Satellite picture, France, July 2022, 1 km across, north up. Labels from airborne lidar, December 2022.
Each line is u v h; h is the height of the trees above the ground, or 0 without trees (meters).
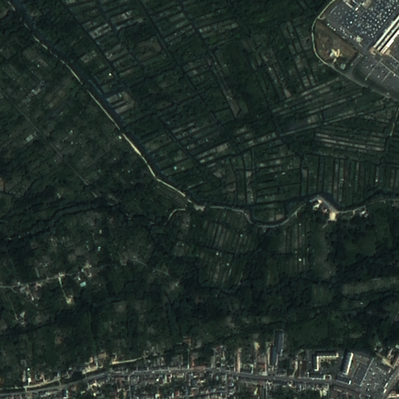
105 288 7
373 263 25
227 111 0
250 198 0
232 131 9
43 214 0
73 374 9
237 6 11
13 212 14
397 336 17
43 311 6
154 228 21
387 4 0
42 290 10
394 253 23
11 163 14
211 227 0
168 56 7
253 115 8
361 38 0
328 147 0
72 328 13
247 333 8
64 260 6
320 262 0
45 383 0
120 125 0
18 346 23
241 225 0
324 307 9
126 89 0
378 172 0
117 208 15
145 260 7
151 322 5
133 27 16
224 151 0
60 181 13
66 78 0
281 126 7
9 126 12
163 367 0
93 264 8
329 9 0
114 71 10
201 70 7
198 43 0
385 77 0
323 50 0
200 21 0
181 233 10
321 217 20
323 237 0
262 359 0
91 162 0
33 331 15
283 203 5
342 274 21
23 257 18
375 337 19
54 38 6
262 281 19
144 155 9
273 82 8
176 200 0
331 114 0
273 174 6
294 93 9
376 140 0
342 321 6
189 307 15
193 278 6
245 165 0
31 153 6
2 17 0
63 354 8
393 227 11
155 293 15
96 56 0
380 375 0
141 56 8
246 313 18
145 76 7
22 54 8
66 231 13
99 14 6
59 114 7
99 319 8
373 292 9
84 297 24
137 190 14
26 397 0
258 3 8
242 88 11
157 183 7
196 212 12
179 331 6
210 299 14
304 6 0
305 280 16
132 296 17
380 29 0
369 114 0
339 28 0
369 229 13
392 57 0
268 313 7
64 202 18
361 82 0
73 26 8
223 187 12
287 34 0
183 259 9
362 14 0
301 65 0
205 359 8
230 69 11
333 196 0
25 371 0
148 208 9
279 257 9
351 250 0
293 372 9
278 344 0
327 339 9
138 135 12
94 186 13
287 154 6
